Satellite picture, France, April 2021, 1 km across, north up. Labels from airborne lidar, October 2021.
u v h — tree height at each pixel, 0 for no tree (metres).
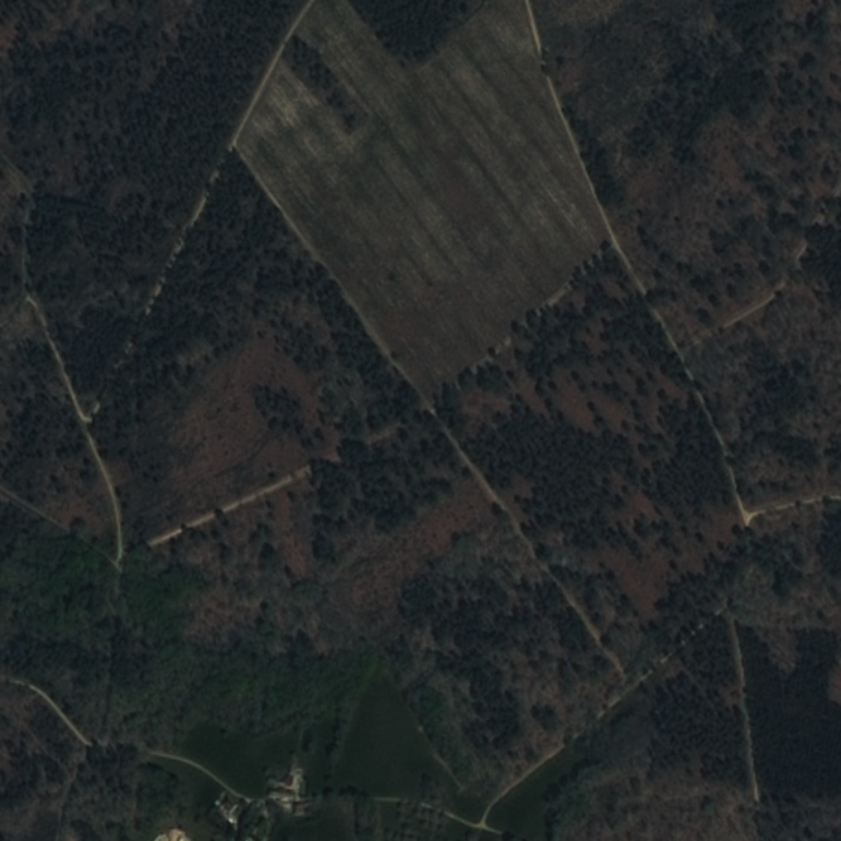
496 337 0
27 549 13
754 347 10
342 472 17
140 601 24
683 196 16
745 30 20
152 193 17
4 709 7
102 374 18
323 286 19
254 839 6
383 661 12
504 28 0
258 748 0
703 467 24
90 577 16
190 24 12
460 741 20
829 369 14
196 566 13
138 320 7
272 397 17
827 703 14
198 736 0
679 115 21
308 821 8
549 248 0
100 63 8
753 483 9
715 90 21
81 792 12
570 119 16
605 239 0
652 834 19
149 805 26
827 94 17
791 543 16
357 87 0
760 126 11
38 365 16
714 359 13
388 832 7
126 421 14
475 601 14
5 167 22
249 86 17
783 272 8
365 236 0
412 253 0
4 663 21
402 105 0
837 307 17
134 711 14
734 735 22
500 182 0
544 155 0
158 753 14
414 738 0
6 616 17
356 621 14
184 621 15
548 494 16
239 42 19
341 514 16
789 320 12
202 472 0
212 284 18
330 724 0
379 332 0
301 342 18
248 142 0
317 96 9
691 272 7
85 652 16
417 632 23
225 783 0
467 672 18
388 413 22
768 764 13
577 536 21
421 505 21
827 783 13
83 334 11
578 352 21
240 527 10
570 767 0
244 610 7
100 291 10
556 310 6
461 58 0
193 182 15
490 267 0
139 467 12
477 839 11
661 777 18
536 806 0
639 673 22
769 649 10
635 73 8
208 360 11
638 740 13
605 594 17
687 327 8
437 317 0
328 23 0
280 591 19
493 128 0
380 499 17
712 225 8
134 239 17
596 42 7
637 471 23
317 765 0
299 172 0
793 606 22
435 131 0
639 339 19
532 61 0
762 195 13
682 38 7
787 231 29
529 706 14
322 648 14
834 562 27
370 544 8
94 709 16
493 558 9
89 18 10
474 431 6
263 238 18
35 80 22
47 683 15
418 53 20
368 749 0
